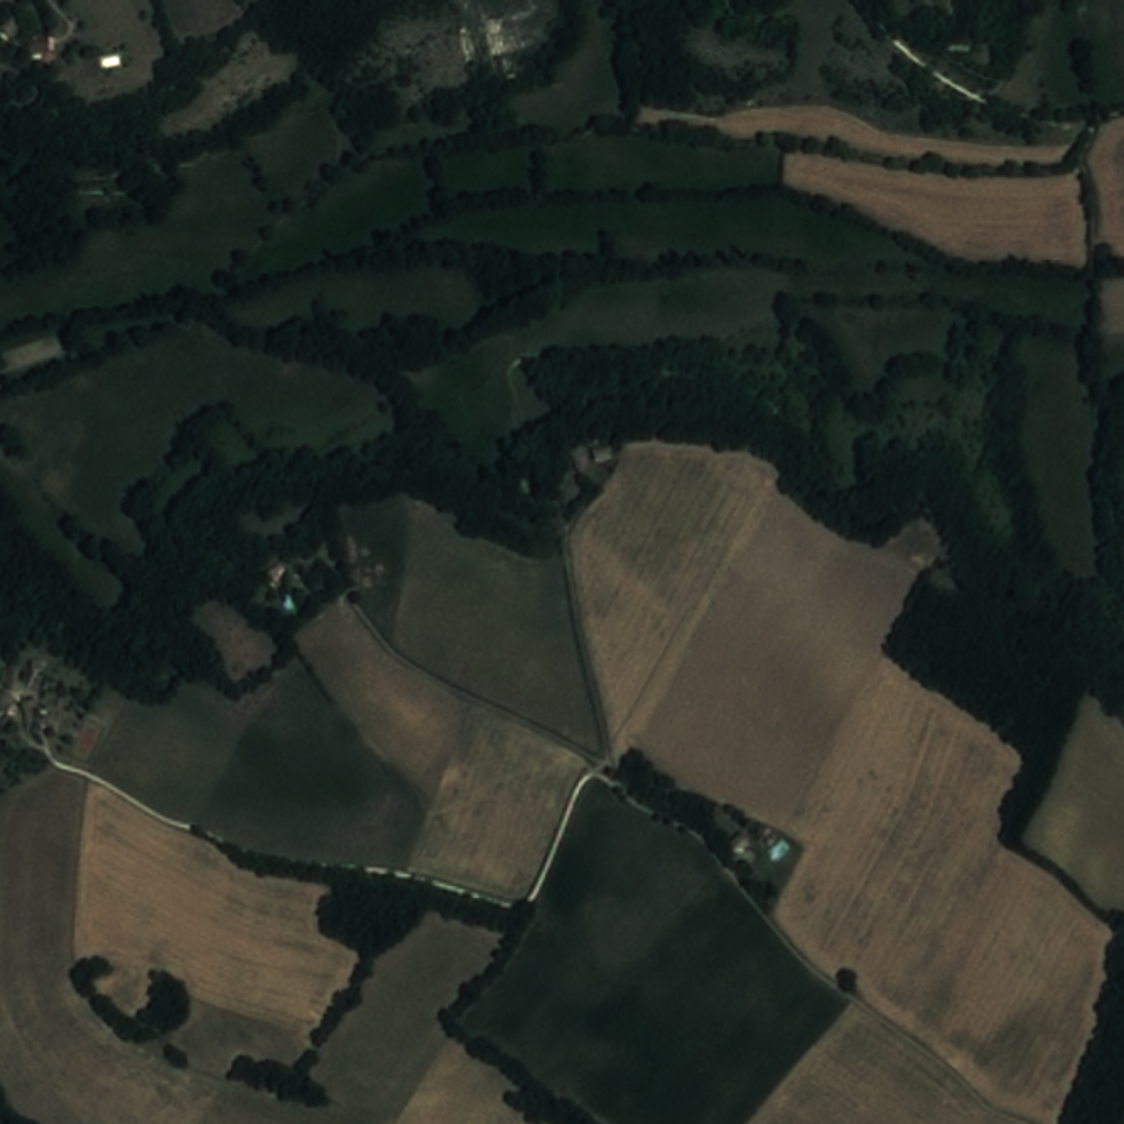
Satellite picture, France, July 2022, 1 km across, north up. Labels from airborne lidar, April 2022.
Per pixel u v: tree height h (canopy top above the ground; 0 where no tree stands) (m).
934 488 15
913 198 0
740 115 0
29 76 14
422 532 0
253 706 0
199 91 10
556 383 16
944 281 0
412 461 19
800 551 0
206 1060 0
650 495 0
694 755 0
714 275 0
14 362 0
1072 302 0
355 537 0
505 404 0
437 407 0
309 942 0
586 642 0
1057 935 0
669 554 0
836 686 0
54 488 0
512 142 22
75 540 14
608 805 0
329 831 0
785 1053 0
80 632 18
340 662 0
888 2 10
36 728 10
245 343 20
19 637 12
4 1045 0
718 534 0
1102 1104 17
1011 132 14
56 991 0
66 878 0
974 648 17
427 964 0
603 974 0
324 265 13
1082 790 0
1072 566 0
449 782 0
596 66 0
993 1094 0
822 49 0
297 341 21
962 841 0
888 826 0
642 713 0
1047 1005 0
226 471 13
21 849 0
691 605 0
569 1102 10
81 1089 0
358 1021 0
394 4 8
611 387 15
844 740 0
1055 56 0
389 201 0
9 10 9
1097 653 16
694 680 0
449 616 0
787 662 0
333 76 11
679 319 0
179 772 0
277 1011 0
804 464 20
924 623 15
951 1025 0
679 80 16
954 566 12
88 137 13
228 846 9
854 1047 0
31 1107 0
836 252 0
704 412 12
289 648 13
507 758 0
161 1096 0
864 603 0
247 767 0
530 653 0
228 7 0
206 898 0
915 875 0
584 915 0
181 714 0
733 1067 0
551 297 25
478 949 0
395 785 0
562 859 0
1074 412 0
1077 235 0
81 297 0
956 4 10
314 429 0
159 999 11
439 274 0
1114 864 0
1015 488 11
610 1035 0
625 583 0
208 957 0
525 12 0
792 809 0
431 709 0
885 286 0
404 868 0
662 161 0
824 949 0
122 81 0
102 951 0
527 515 14
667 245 0
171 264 0
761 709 0
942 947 0
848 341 0
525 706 0
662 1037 0
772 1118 0
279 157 0
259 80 0
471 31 0
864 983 0
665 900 0
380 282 0
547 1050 0
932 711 0
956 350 13
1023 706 21
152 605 16
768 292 0
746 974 0
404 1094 0
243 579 14
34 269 12
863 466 18
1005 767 0
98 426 0
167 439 0
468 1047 12
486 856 0
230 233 0
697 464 0
